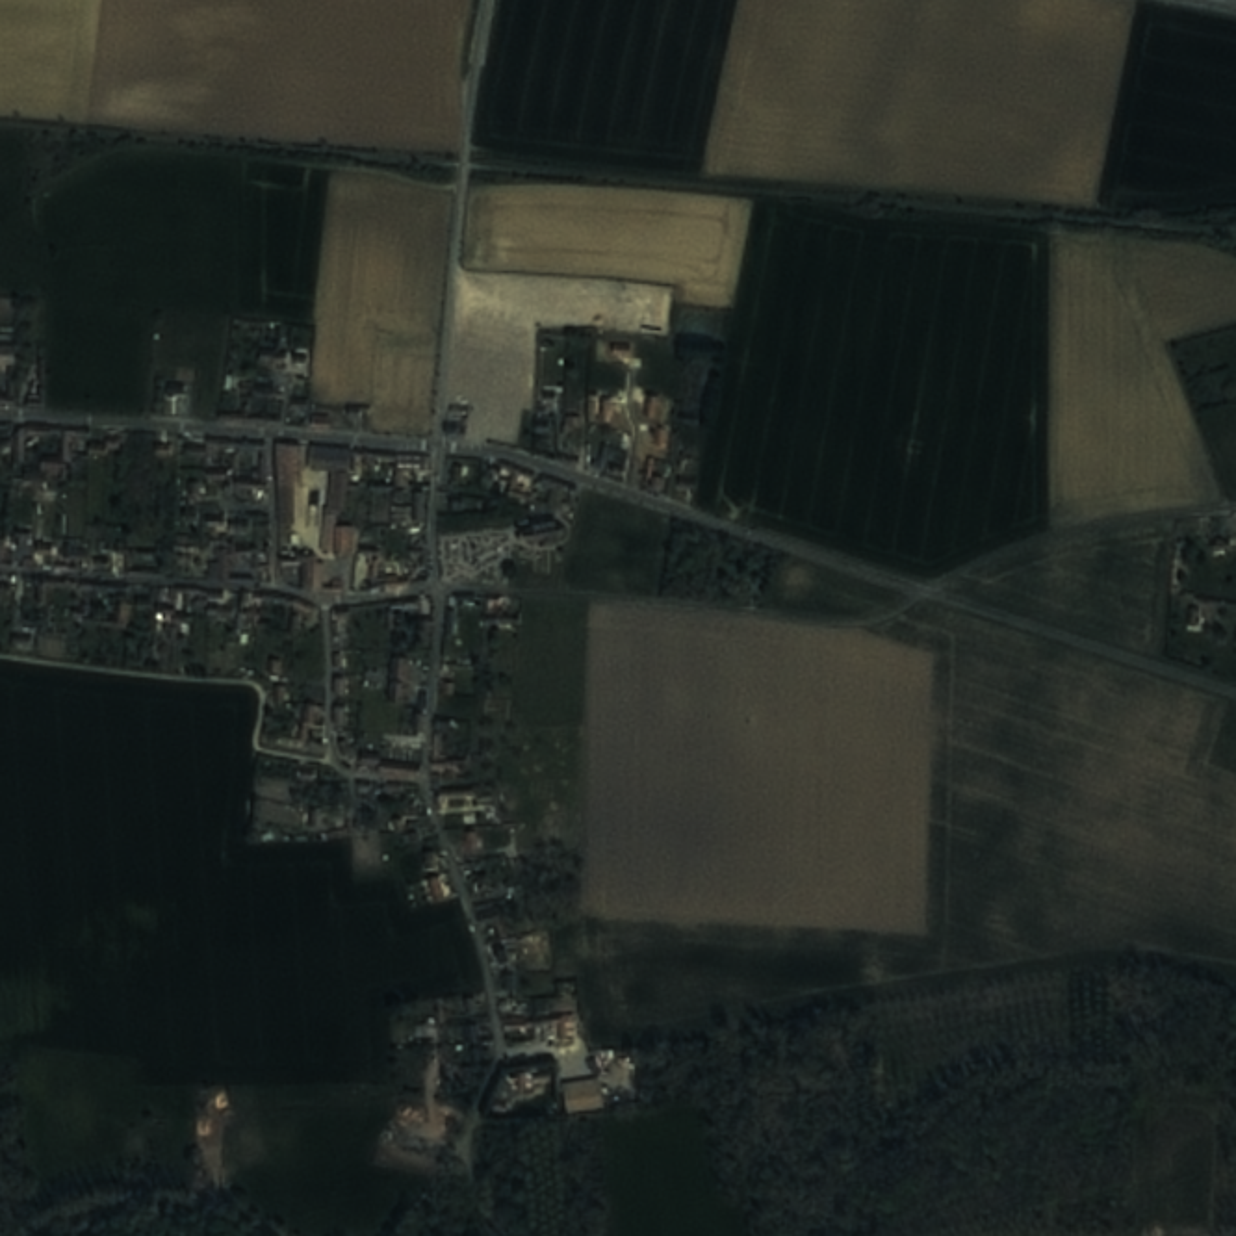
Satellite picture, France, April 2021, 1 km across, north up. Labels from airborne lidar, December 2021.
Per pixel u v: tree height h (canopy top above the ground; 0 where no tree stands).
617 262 0
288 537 0
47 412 0
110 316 0
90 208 0
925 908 0
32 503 0
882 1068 21
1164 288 0
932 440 0
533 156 0
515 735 11
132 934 0
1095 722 0
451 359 0
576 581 0
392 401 0
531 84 0
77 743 0
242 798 0
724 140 0
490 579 0
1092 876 0
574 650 0
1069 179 0
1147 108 0
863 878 0
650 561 0
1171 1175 0
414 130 0
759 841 0
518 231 0
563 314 0
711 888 0
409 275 0
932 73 0
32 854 0
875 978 0
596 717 0
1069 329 0
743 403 0
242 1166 0
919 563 0
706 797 0
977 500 0
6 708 0
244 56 0
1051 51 0
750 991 0
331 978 0
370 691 0
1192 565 10
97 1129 0
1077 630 0
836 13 0
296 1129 0
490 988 0
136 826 0
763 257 0
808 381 0
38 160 0
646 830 0
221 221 0
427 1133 0
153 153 0
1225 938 0
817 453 0
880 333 0
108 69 0
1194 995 22
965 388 0
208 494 0
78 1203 33
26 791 0
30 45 0
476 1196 8
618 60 0
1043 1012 16
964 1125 28
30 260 0
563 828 0
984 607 0
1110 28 0
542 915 27
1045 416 0
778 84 0
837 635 0
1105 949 0
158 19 0
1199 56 0
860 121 0
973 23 0
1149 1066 29
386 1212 0
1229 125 0
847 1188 22
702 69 0
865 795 0
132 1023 0
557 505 0
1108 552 0
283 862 0
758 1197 11
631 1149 0
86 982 0
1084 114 0
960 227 0
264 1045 0
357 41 0
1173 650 0
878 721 0
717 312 0
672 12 0
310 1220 0
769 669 0
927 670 0
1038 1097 28
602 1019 0
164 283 0
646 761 0
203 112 0
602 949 0
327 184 0
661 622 0
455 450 0
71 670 0
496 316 0
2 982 0
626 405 0
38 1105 0
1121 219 7
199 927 0
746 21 0
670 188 0
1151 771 0
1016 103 0
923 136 0
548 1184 25
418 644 9
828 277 0
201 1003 0
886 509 0
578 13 0
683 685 0
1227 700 0
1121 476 0
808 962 0
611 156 0
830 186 0
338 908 0
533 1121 20
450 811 0
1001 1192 27
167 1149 0
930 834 0
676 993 0
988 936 0
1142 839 0
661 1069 9
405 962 0
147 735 0
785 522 0
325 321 0
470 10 0
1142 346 0
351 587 0
